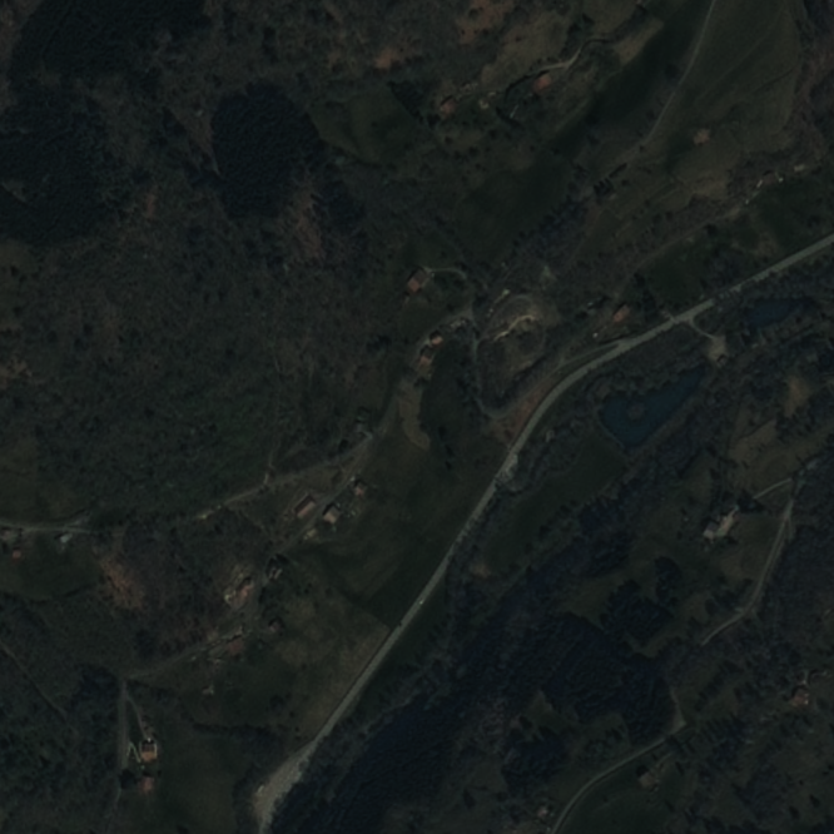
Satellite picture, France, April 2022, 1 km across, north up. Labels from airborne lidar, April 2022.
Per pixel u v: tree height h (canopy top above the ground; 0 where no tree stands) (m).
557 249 15
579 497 0
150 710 0
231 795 0
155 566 32
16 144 13
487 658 24
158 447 15
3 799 20
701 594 0
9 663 23
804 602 18
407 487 0
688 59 0
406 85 13
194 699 0
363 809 21
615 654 31
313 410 0
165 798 0
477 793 0
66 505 0
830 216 0
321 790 35
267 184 32
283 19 17
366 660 0
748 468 9
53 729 15
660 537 0
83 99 17
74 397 6
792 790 8
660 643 0
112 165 18
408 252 0
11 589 0
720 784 16
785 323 0
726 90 0
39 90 14
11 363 6
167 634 19
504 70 0
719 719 0
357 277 27
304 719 0
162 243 15
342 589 0
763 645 13
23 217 14
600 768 10
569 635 27
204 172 6
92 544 10
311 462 9
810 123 11
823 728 0
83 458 20
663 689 33
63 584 0
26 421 9
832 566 18
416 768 20
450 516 0
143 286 9
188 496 18
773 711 15
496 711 28
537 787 8
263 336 7
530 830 0
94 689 34
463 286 8
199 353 15
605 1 0
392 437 0
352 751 18
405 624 0
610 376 14
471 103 0
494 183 0
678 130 0
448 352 0
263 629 0
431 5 18
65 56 19
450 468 13
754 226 0
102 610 11
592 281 19
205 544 8
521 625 22
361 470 0
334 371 14
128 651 9
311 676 0
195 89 8
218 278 8
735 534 0
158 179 9
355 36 22
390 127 0
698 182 0
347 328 10
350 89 21
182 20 15
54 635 11
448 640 21
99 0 17
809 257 0
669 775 0
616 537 17
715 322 12
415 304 0
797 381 0
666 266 0
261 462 12
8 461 0
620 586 0
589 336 7
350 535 0
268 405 11
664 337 12
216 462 11
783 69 0
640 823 0
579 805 0
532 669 30
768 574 0
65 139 15
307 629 0
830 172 0
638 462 8
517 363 0
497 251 0
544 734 0
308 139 29
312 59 20
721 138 0
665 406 0
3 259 0
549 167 0
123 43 17
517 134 9
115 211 13
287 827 24
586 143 0
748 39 0
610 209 0
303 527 0
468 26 0
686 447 18
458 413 0
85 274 8
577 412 14
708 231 6
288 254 16
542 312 0
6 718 11
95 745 20
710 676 0
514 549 0
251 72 20
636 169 0
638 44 0
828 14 24
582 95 0
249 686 0
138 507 11
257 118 33
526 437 0
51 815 17
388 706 19
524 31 0
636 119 0
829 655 6
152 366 17
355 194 9
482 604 37
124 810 16
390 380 0
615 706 23
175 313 17
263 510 0
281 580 8
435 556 0
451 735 21
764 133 0
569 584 19
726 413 7
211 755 0
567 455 18
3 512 0
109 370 21
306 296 12
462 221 0
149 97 9
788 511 0
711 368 18
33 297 9
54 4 19
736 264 16
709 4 0
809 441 0
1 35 28
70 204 15
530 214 0
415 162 0
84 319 14
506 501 22
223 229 28
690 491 0
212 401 16
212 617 13
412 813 15
